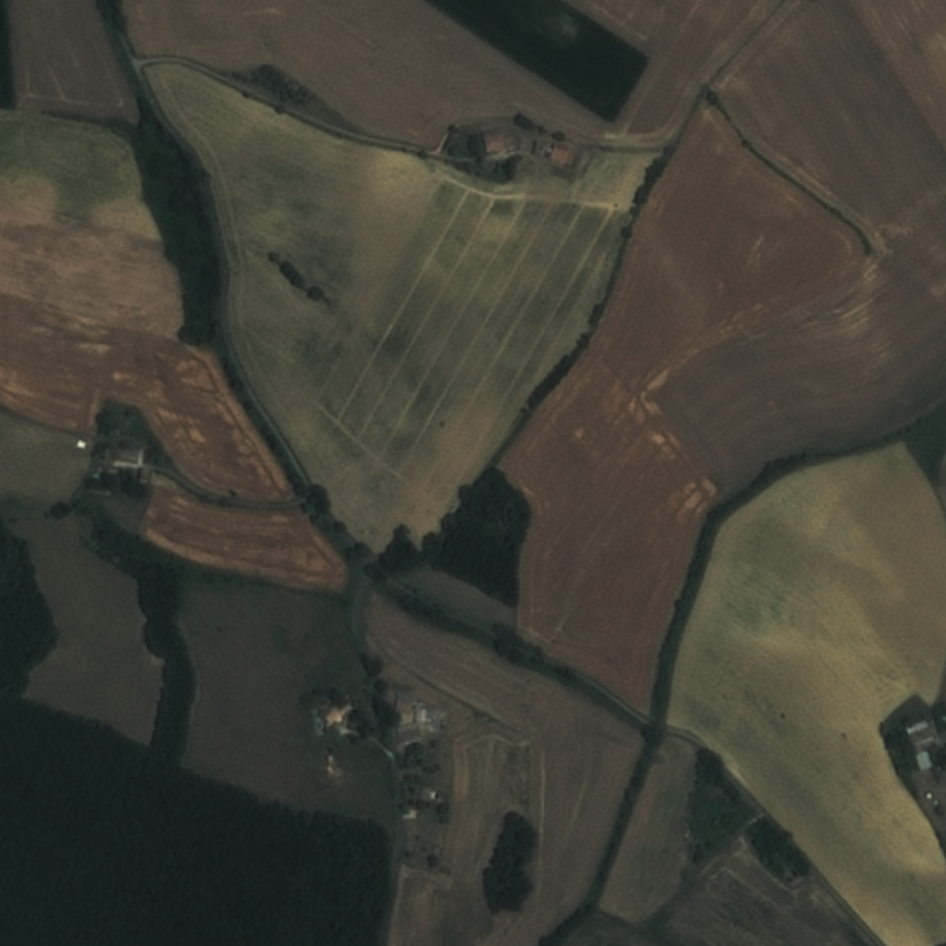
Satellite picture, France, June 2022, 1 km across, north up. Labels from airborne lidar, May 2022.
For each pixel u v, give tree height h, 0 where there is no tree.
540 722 0
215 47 0
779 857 9
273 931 6
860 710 0
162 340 0
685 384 0
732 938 0
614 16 0
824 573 0
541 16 0
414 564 9
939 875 0
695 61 0
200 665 0
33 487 0
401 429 0
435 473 0
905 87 0
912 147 0
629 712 0
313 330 0
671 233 0
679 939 0
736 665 0
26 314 0
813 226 0
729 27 0
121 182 0
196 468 0
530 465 0
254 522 0
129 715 0
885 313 0
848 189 0
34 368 0
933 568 0
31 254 0
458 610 0
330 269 0
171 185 7
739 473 0
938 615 0
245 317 0
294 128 0
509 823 17
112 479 6
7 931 10
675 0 0
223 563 0
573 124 0
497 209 0
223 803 7
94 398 0
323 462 0
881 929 0
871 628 0
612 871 0
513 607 6
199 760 0
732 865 0
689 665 0
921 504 0
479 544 8
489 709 0
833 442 0
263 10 0
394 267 0
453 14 0
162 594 19
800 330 0
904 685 0
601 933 0
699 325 0
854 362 0
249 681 0
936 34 0
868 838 0
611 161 0
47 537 0
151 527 0
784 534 0
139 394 0
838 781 0
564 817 0
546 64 0
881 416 0
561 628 0
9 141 0
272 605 0
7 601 17
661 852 0
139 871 8
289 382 0
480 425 0
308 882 13
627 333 0
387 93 0
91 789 6
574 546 0
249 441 0
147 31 0
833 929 0
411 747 8
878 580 0
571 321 0
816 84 0
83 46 0
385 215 0
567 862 0
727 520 0
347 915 6
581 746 0
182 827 7
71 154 0
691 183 0
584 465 0
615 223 0
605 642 0
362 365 0
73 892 7
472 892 0
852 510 0
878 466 0
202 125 0
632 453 0
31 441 0
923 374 0
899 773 7
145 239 0
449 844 0
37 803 9
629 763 0
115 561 13
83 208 0
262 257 0
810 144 0
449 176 0
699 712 0
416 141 0
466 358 0
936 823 0
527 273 0
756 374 0
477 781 0
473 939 0
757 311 0
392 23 0
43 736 8
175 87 0
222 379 0
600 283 0
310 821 17
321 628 0
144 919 7
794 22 0
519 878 21
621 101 0
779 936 0
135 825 6
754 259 0
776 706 0
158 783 8
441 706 0
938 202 0
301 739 0
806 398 0
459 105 0
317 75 0
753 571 0
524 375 0
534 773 0
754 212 0
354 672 0
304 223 0
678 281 0
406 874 0
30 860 7
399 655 0
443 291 0
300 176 0
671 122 0
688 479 0
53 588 0
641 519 0
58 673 0
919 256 0
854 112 0
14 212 0
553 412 0
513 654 15
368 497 0
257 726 0
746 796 0
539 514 0
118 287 0
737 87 0
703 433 0
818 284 0
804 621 0
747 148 9
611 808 0
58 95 0
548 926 0
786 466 14
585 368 0
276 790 0
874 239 0
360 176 0
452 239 0
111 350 0
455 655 0
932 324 0
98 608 0
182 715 14
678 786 0
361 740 7
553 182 0
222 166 0
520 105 0
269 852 9
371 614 0
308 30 0
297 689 0
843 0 0
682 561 0
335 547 0
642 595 0
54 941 9
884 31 0
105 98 0
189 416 0
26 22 0
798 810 0
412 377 0
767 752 0
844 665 0
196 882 9
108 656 0
